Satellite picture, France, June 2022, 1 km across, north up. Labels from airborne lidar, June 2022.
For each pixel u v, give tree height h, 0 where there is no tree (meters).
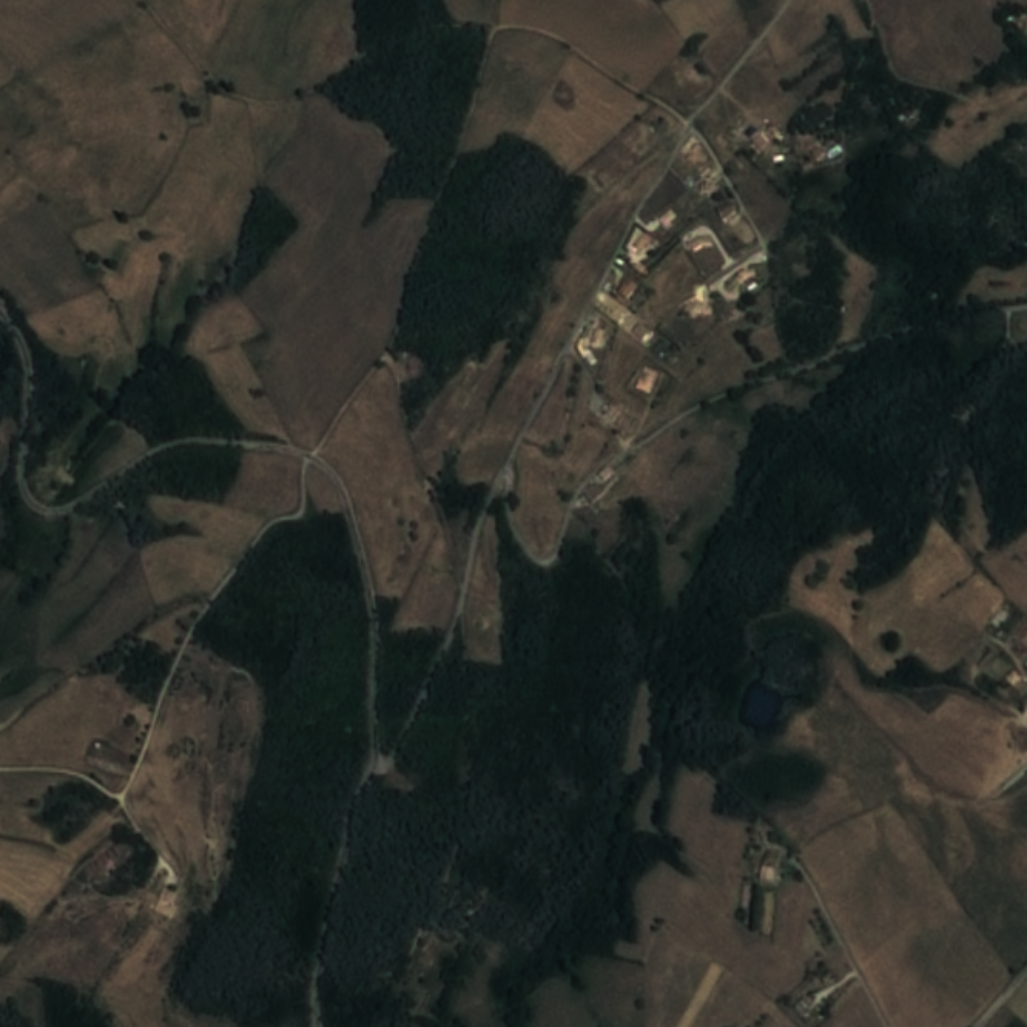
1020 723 0
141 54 0
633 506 12
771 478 16
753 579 7
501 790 6
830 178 0
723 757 9
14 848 0
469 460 0
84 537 0
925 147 11
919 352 16
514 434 0
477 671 11
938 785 0
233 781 0
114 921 0
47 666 0
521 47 0
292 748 7
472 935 8
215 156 0
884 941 0
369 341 0
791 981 0
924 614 0
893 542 6
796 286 8
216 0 0
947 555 0
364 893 19
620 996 0
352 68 8
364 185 0
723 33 0
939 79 0
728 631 10
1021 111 0
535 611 8
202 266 0
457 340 7
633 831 16
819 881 0
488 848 13
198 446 12
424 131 17
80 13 0
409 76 10
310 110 0
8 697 0
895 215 7
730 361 0
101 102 0
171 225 0
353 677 8
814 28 0
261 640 7
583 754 14
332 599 9
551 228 13
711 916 0
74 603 0
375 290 0
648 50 0
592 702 8
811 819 0
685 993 0
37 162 0
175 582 0
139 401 13
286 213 11
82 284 0
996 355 7
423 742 9
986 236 14
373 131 0
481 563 0
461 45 8
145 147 0
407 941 17
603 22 0
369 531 0
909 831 0
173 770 0
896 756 0
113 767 0
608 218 0
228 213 0
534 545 0
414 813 16
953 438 16
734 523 20
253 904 17
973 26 0
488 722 8
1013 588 0
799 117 9
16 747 0
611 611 6
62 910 0
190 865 0
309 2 0
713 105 0
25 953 0
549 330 0
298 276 0
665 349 0
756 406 0
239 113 0
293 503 0
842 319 8
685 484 0
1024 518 7
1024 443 10
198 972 20
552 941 19
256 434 7
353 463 0
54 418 7
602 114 0
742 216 0
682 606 10
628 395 0
